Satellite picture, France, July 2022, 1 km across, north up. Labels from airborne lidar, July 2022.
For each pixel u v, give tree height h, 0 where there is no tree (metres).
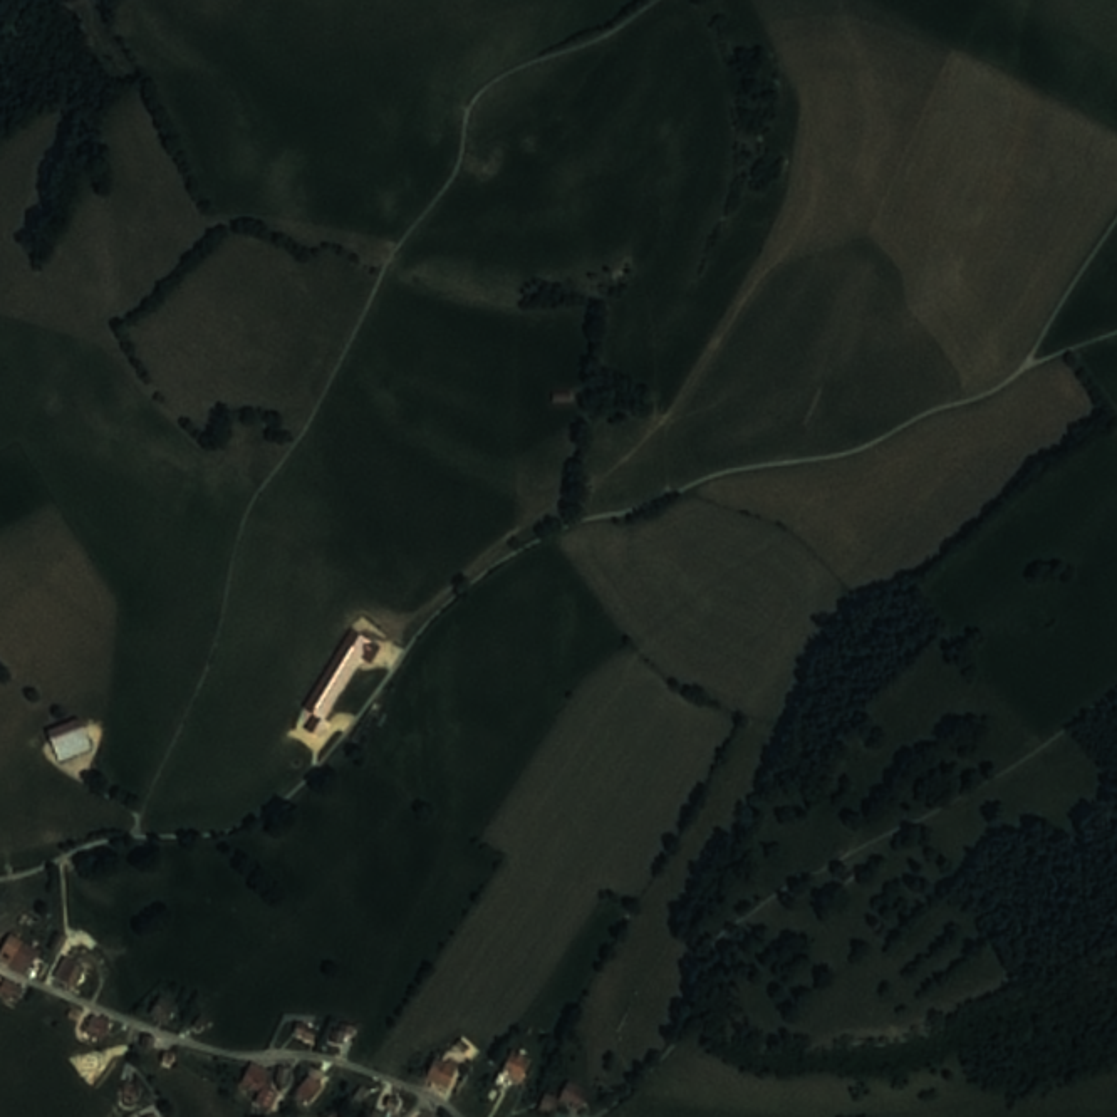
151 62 0
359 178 0
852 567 0
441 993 0
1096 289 0
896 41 0
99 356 0
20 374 0
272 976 0
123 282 0
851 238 0
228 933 0
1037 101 0
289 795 0
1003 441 0
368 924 0
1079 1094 0
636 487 0
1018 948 22
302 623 0
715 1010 22
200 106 0
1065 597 0
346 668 0
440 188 0
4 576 0
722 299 0
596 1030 0
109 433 0
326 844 0
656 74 0
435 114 0
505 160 0
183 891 0
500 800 0
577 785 0
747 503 0
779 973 10
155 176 0
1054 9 0
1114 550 0
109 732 0
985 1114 0
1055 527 0
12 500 0
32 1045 0
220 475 0
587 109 0
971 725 19
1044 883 20
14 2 15
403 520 0
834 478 0
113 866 26
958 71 0
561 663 0
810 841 0
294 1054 0
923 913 11
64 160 24
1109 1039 16
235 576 0
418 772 0
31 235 15
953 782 22
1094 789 0
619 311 0
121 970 0
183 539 0
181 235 0
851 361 0
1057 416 0
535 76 0
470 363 0
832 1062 7
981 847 8
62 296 0
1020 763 0
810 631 0
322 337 0
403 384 0
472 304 0
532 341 0
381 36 0
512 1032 7
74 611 0
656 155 0
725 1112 0
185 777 0
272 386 0
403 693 0
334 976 13
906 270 0
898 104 0
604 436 0
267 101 0
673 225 0
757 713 0
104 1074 0
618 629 0
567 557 0
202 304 0
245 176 0
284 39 0
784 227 0
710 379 0
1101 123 0
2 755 0
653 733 0
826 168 0
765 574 0
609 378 20
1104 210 0
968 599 0
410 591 0
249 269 0
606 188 0
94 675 0
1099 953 15
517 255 0
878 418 0
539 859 0
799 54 0
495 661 0
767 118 6
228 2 0
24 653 0
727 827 0
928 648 27
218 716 0
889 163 0
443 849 0
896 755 0
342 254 10
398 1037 0
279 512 0
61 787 0
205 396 0
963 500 0
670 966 0
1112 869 24
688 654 0
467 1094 0
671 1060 0
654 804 0
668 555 0
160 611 0
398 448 0
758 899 7
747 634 0
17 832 0
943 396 0
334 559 0
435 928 0
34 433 0
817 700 22
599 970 11
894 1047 6
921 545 0
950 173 0
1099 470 0
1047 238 0
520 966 0
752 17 0
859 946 14
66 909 0
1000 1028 8
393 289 0
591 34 7
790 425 0
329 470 0
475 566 0
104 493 0
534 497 0
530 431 0
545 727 0
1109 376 0
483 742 0
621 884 0
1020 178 0
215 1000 0
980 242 0
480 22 0
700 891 21
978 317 0
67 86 24
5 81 29
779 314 0
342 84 0
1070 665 0
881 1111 0
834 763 19
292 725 0
